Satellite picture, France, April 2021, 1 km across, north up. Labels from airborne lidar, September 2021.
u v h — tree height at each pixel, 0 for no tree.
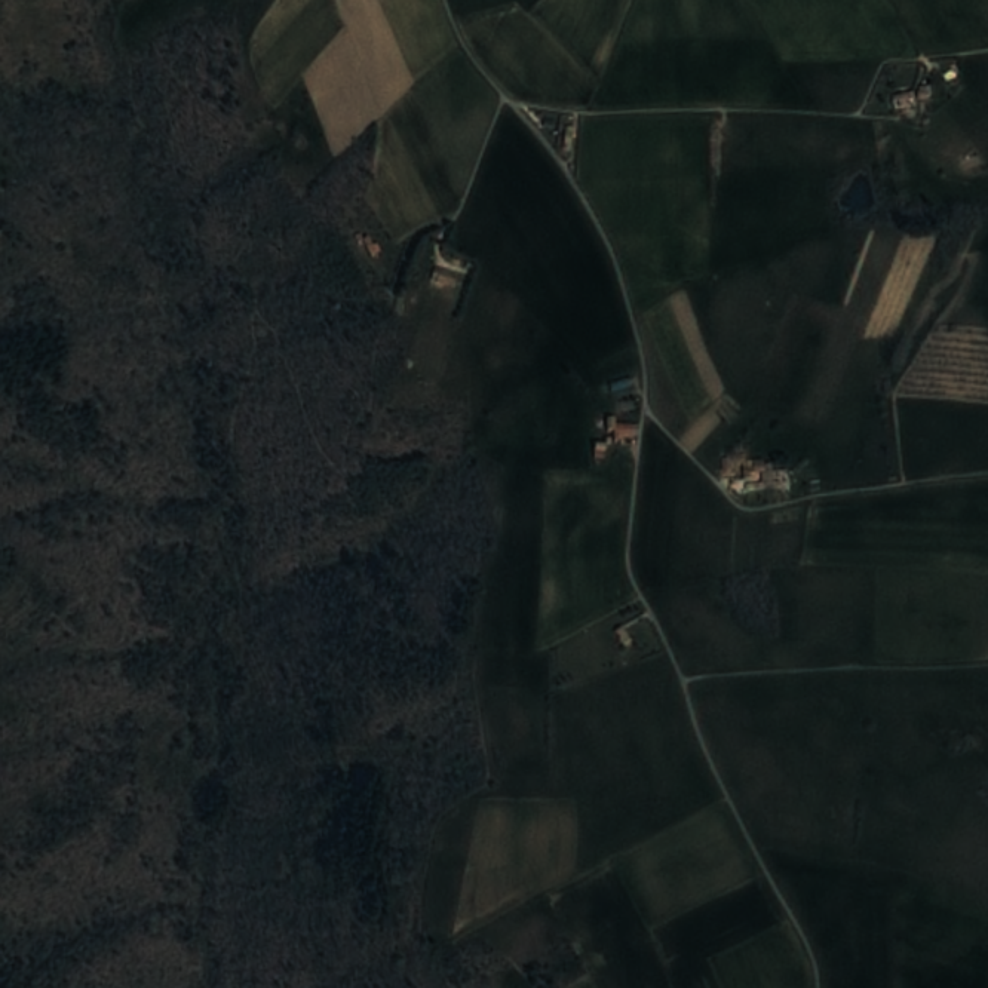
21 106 15
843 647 0
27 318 19
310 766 10
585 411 0
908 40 0
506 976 0
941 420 0
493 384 0
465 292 7
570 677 12
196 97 7
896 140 0
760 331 0
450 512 9
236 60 8
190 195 11
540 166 0
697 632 0
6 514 9
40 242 8
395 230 0
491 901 0
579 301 0
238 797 13
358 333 11
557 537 0
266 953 9
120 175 15
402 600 14
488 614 0
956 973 0
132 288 12
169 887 15
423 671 16
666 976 0
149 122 10
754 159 0
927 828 0
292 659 11
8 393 12
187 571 22
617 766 0
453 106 0
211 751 17
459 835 0
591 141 0
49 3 0
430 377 0
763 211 0
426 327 0
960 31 0
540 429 0
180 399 19
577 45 0
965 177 0
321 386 8
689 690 0
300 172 0
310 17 0
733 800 0
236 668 11
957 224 17
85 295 10
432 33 0
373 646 14
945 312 0
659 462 0
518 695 0
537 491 0
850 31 0
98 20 9
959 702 0
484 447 0
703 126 0
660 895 0
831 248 0
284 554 7
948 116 0
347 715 18
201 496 17
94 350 9
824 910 0
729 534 0
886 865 0
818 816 0
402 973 9
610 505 0
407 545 13
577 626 0
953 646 0
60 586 11
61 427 10
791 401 0
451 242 7
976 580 0
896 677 0
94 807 18
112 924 16
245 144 10
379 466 20
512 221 0
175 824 7
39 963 12
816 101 0
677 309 0
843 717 0
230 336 13
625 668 0
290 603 16
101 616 7
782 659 0
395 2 0
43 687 7
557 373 0
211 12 0
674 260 0
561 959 8
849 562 0
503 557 0
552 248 0
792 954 0
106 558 6
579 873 0
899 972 0
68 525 6
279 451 7
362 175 10
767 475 0
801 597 0
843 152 0
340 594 22
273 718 9
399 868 10
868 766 0
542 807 0
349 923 8
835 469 0
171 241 13
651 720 0
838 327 0
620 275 0
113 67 12
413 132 0
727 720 0
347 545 12
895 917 0
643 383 0
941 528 0
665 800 0
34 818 15
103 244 15
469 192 0
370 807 24
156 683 7
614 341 0
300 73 0
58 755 7
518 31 0
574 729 0
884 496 0
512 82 0
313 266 7
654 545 0
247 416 6
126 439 12
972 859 0
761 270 0
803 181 0
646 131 0
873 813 0
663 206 0
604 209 0
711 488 0
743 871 0
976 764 0
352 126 0
